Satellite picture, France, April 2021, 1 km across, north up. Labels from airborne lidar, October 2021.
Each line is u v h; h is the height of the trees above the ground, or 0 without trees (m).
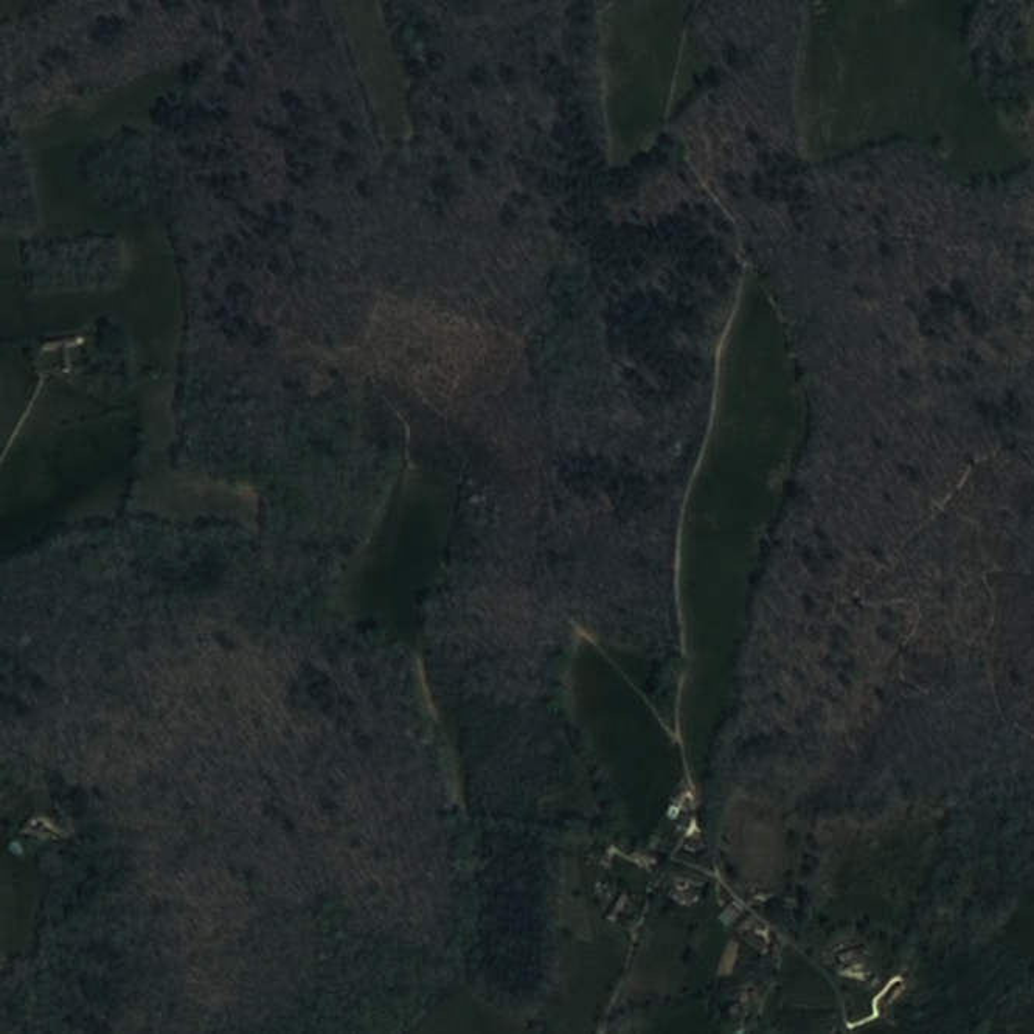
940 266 11
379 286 15
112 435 0
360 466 21
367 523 20
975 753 18
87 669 19
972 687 15
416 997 23
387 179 15
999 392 20
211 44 21
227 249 8
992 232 14
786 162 13
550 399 19
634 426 13
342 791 20
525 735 10
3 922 0
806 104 0
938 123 0
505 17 17
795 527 13
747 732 15
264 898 20
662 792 0
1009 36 22
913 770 15
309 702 23
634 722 0
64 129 0
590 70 19
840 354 17
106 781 16
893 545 14
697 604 0
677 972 0
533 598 18
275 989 17
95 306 0
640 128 0
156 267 0
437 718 0
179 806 17
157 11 18
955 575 14
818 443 14
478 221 13
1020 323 29
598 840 18
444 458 5
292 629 16
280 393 13
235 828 16
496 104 16
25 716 22
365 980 32
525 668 21
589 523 12
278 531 20
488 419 6
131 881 22
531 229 19
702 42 13
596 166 27
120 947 24
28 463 0
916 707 13
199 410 22
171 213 19
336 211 16
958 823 19
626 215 10
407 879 18
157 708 18
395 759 25
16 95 17
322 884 21
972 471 17
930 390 14
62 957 19
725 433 0
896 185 14
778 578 16
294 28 11
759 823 0
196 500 0
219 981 20
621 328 26
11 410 0
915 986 12
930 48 0
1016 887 19
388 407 7
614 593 18
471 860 23
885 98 0
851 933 15
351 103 14
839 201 15
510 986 20
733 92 13
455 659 12
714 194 10
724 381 0
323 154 21
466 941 25
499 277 15
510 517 10
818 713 14
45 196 0
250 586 19
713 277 21
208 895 19
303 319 13
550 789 12
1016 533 21
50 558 20
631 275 26
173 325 0
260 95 10
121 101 0
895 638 23
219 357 9
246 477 22
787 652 16
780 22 19
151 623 20
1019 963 7
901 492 11
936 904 17
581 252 19
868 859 0
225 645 18
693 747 0
